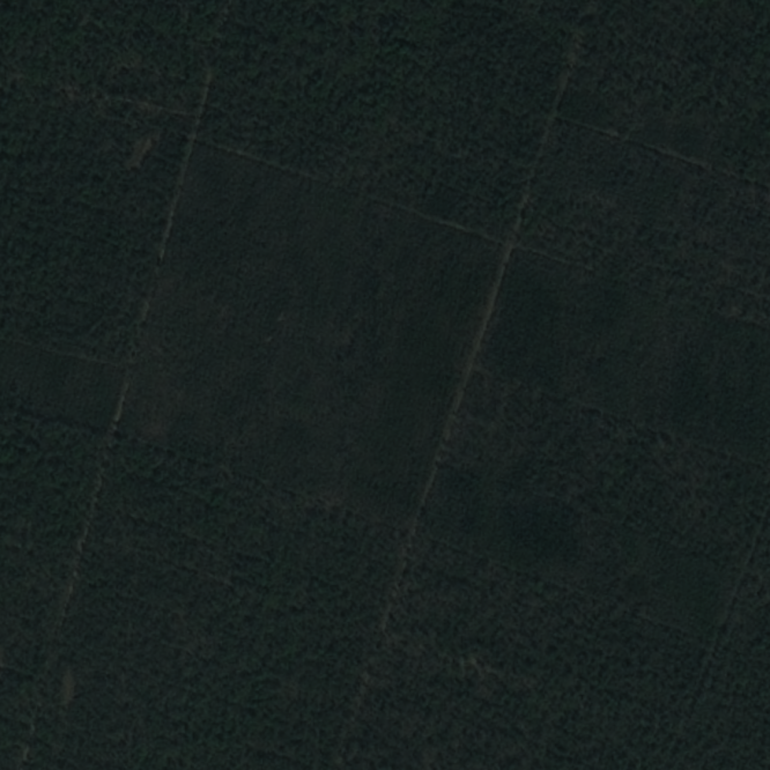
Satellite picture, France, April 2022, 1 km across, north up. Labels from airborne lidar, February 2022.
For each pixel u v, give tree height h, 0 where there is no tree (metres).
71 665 8
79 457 20
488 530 11
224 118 13
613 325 12
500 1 15
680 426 10
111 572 13
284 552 17
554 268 10
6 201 16
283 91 18
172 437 9
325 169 16
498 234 14
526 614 16
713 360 10
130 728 14
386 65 19
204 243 9
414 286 7
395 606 17
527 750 15
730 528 6
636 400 8
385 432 8
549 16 19
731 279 17
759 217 9
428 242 9
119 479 16
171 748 21
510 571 17
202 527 15
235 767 12
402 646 7
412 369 8
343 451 12
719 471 15
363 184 15
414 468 7
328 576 8
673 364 8
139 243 15
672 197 9
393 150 13
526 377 9
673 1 16
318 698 16
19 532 18
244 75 17
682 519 13
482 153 12
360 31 22
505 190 14
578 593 8
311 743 17
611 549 11
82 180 15
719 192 10
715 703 14
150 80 15
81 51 16
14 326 17
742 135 7
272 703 18
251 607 13
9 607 14
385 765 19
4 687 16
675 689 14
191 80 13
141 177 13
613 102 6
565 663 18
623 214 7
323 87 17
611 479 20
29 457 22
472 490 12
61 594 17
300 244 6
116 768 18
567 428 15
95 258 12
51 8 19
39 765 15
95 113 13
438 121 20
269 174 7
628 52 20
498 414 21
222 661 18
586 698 17
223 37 20
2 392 11
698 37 15
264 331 6
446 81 20
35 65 20
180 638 13
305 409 11
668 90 17
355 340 8
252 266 8
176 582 13
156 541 16
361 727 18
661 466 16
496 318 8
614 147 7
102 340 10
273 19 22
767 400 8
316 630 13
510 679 18
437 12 16
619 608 13
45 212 8
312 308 11
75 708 9
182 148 11
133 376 9
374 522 16
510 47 13
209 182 6
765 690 16
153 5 18
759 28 15
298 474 13
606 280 10
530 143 12
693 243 15
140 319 9
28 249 17
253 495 18
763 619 11
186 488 16
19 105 20
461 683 14
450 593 17
